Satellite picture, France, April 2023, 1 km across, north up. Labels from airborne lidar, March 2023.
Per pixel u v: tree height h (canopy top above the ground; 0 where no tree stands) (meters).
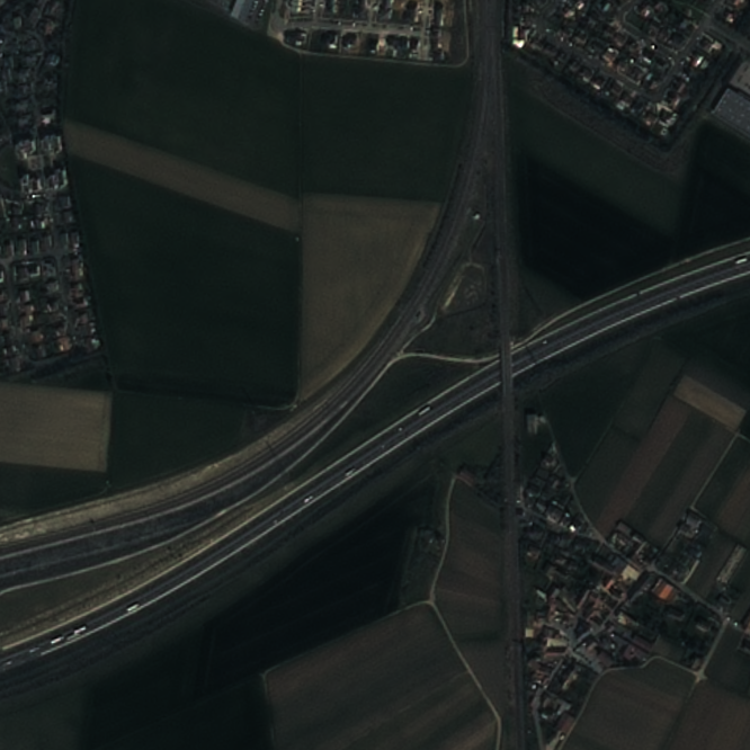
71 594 0
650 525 0
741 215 0
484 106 0
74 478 0
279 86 0
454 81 0
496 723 0
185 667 0
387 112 0
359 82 0
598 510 0
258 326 0
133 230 0
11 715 0
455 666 0
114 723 0
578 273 0
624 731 0
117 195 0
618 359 0
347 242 0
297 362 0
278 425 0
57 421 0
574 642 0
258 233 0
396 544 0
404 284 0
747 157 0
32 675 0
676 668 0
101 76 0
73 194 9
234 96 0
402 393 0
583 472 0
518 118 0
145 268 0
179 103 0
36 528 0
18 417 0
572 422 0
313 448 0
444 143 0
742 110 0
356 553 0
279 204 0
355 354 0
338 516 0
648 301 0
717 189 0
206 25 0
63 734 0
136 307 0
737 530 0
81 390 0
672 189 0
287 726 0
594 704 0
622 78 0
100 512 0
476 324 0
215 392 0
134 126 0
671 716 0
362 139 0
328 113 0
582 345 0
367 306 0
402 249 0
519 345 0
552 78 8
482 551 0
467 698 0
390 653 0
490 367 0
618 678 0
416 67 0
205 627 0
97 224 0
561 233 0
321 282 0
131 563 0
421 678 0
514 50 8
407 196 0
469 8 0
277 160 0
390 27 0
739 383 0
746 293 0
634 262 0
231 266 0
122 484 0
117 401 0
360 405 0
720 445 0
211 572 0
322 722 0
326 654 0
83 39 0
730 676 0
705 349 0
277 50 0
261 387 0
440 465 0
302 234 0
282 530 0
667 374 0
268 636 0
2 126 9
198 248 0
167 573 0
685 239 0
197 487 0
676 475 0
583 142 0
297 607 0
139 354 0
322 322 0
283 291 0
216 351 0
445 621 0
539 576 0
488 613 0
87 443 0
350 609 0
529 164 0
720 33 0
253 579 0
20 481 0
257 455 0
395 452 0
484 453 0
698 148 0
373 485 0
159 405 0
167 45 0
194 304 0
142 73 0
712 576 0
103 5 0
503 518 7
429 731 0
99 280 0
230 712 0
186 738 0
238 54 0
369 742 0
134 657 0
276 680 0
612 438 0
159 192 0
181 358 0
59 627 0
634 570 0
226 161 0
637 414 0
